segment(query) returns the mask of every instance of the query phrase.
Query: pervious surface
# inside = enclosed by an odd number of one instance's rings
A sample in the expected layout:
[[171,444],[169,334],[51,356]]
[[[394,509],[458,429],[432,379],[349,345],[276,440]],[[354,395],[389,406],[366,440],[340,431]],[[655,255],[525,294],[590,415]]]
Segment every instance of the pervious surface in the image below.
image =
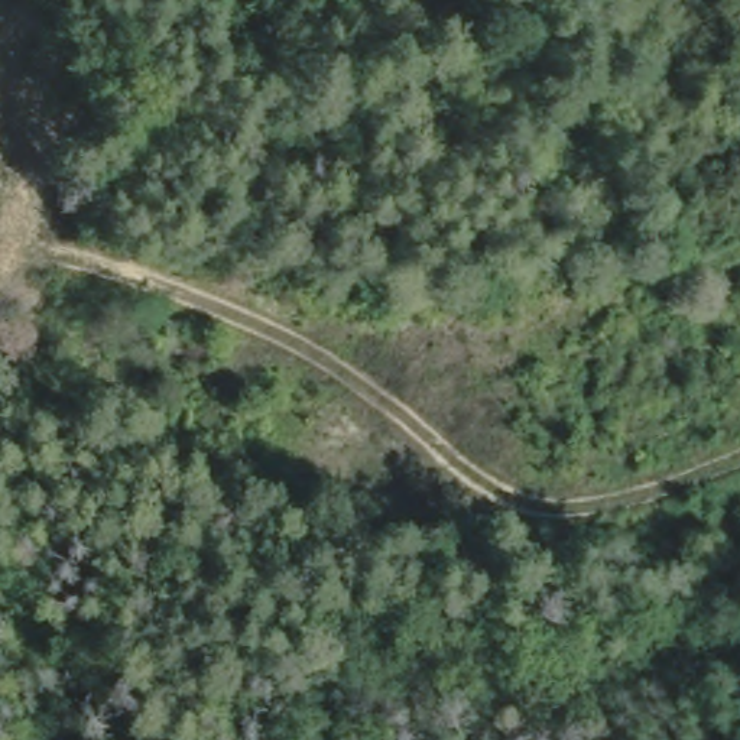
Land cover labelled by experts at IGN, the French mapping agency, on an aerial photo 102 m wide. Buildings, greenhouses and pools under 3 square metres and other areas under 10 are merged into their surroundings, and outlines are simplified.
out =
[[674,483],[665,483],[662,474],[636,474],[636,483],[627,483],[621,491],[616,491],[601,477],[581,477],[578,483],[564,483],[543,497],[546,503],[564,506],[567,517],[593,515],[595,506],[616,503],[648,503],[653,509],[659,491],[665,491],[671,500],[688,500],[691,494],[682,480]]
[[52,246],[55,257],[78,257],[93,269],[90,275],[113,272],[121,280],[142,280],[147,289],[162,289],[179,309],[205,312],[217,324],[234,327],[237,338],[251,335],[306,361],[321,376],[341,382],[364,405],[370,405],[393,428],[399,428],[422,454],[425,465],[436,465],[448,480],[457,480],[463,489],[474,491],[483,500],[494,500],[500,491],[515,494],[517,489],[509,480],[491,474],[489,468],[465,457],[416,408],[410,408],[370,373],[356,367],[350,358],[309,338],[304,332],[306,327],[312,327],[309,321],[301,321],[298,330],[280,321],[278,301],[254,295],[234,278],[208,280],[205,286],[199,286],[194,280],[165,275],[150,266],[139,266],[133,260],[119,260],[98,249],[84,249],[58,240]]

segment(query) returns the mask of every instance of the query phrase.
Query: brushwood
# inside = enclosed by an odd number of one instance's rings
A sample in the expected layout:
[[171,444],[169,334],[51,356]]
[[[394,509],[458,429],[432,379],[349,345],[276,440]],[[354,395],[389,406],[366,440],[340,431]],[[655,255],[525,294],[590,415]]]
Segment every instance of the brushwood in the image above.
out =
[[726,292],[726,306],[720,309],[720,318],[714,324],[694,324],[688,312],[679,309],[679,304],[650,298],[645,283],[624,283],[621,292],[610,298],[610,304],[598,306],[584,321],[569,312],[564,312],[564,318],[555,318],[552,309],[538,309],[538,315],[532,318],[535,332],[523,344],[523,353],[506,367],[517,396],[509,402],[512,410],[503,416],[503,428],[512,428],[526,442],[520,457],[520,474],[529,483],[529,489],[543,489],[543,497],[564,483],[578,483],[581,477],[601,477],[616,491],[621,491],[627,483],[636,483],[636,474],[662,474],[665,483],[674,483],[671,477],[691,460],[691,454],[702,460],[708,451],[723,454],[726,445],[740,442],[740,292]]
[[740,494],[740,477],[711,483],[691,494],[688,500],[671,500],[665,491],[659,491],[653,509],[648,503],[616,503],[595,506],[593,515],[595,520],[613,523],[613,546],[621,538],[630,538],[627,523],[650,517],[650,512],[720,520],[726,497]]

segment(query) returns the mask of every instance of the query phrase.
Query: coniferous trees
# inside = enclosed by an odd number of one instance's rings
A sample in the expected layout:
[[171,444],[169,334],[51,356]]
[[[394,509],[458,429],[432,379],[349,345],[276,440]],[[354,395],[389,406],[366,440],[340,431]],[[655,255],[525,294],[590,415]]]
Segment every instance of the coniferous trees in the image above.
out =
[[[578,289],[587,289],[610,298],[621,292],[624,283],[645,283],[650,298],[679,304],[679,309],[688,312],[694,324],[714,324],[720,318],[720,309],[726,306],[726,292],[740,292],[740,0],[327,0],[321,12],[306,12],[304,20],[306,26],[312,26],[312,35],[304,40],[304,46],[309,52],[295,72],[295,81],[283,84],[260,61],[254,46],[246,46],[234,55],[228,29],[234,0],[104,0],[107,12],[121,17],[124,29],[142,23],[150,40],[153,61],[162,66],[165,75],[173,78],[179,93],[173,121],[153,127],[147,145],[136,150],[124,133],[119,133],[116,98],[107,95],[90,101],[87,81],[81,78],[81,72],[72,72],[78,43],[72,40],[69,0],[17,0],[23,20],[32,26],[32,61],[52,72],[52,84],[40,93],[40,104],[46,113],[75,116],[75,124],[64,130],[61,173],[40,194],[43,220],[49,223],[58,240],[84,249],[98,249],[119,260],[133,260],[139,266],[150,266],[165,275],[194,280],[199,286],[205,286],[208,280],[234,278],[254,295],[278,301],[283,298],[283,292],[292,289],[347,286],[347,298],[358,306],[353,324],[379,321],[390,315],[387,283],[402,266],[416,266],[419,272],[425,272],[428,286],[445,289],[448,298],[454,292],[465,292],[474,298],[486,298],[489,283],[497,275],[509,275],[512,280],[541,278],[546,286],[561,283],[564,298],[575,298]],[[477,61],[474,38],[483,35],[494,20],[517,12],[541,17],[546,26],[546,40],[541,43],[535,58],[506,64],[494,78],[486,78]]]
[[[428,694],[422,705],[405,708],[405,697],[387,697],[382,700],[384,714],[390,723],[399,726],[393,740],[740,740],[740,642],[697,648],[688,639],[674,636],[665,648],[650,648],[650,659],[645,665],[633,665],[621,659],[627,639],[616,636],[624,619],[630,616],[630,590],[642,584],[650,595],[691,593],[694,607],[702,619],[717,616],[717,598],[723,595],[740,604],[740,494],[726,497],[720,520],[650,512],[650,517],[627,523],[630,538],[621,538],[613,546],[587,549],[584,543],[561,543],[543,552],[538,543],[529,541],[517,512],[506,512],[506,529],[494,538],[489,532],[480,532],[468,515],[451,515],[439,526],[410,523],[393,526],[387,532],[379,523],[373,500],[367,494],[318,494],[318,500],[306,503],[304,509],[295,509],[283,486],[266,483],[260,477],[246,483],[246,503],[240,509],[228,509],[220,497],[220,489],[211,480],[205,457],[188,448],[185,428],[165,428],[165,416],[150,410],[150,402],[142,399],[136,390],[110,396],[104,408],[93,410],[93,422],[87,428],[75,428],[43,410],[35,413],[35,390],[43,384],[49,373],[61,338],[46,324],[35,330],[35,324],[20,312],[20,306],[12,312],[12,321],[0,321],[0,740],[231,740],[231,697],[237,688],[249,688],[251,697],[272,697],[332,682],[332,671],[344,659],[344,642],[324,630],[324,613],[347,610],[350,601],[364,601],[367,613],[376,613],[376,656],[396,645],[399,627],[413,604],[436,601],[439,619],[445,624],[442,648],[457,645],[463,648],[463,659],[480,662],[483,679],[491,691],[491,705],[480,717],[463,700],[439,702]],[[552,700],[552,688],[543,688],[535,679],[523,682],[520,688],[512,685],[520,659],[515,653],[506,653],[503,645],[509,642],[515,624],[523,621],[523,616],[538,616],[549,624],[549,630],[572,636],[581,633],[581,616],[593,616],[595,610],[607,619],[595,627],[598,650],[607,645],[613,650],[610,659],[598,659],[607,676],[593,679],[595,705],[604,717],[567,726],[567,711]]]

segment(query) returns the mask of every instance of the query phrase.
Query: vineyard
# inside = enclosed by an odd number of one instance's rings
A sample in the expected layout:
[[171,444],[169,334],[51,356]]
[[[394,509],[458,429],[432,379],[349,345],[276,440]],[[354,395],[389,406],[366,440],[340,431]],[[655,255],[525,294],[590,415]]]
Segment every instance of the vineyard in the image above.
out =
[[64,130],[75,124],[75,116],[46,113],[40,104],[40,93],[52,84],[52,72],[32,61],[32,26],[23,20],[17,0],[0,0],[0,275],[12,275],[23,266],[20,251],[38,237],[43,220],[40,194],[61,173]]

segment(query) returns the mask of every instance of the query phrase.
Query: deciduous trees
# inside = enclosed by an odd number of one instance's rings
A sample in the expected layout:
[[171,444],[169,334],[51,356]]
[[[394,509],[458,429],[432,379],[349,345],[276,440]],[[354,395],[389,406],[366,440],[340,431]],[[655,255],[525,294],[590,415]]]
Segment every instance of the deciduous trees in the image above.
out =
[[72,40],[78,43],[72,72],[81,72],[81,78],[87,81],[90,101],[107,95],[116,98],[119,133],[124,133],[136,150],[147,145],[153,127],[173,121],[179,93],[173,78],[165,75],[162,66],[153,61],[150,40],[142,23],[124,29],[121,17],[107,12],[104,0],[69,0]]
[[483,35],[474,38],[477,61],[486,78],[494,78],[506,64],[535,58],[541,43],[546,40],[546,26],[541,17],[517,12],[494,20]]
[[234,55],[246,46],[254,46],[260,61],[283,84],[295,81],[295,72],[309,52],[304,46],[304,40],[312,35],[312,26],[306,26],[304,20],[306,12],[321,12],[327,0],[234,0],[228,29]]
[[691,593],[650,595],[642,584],[630,590],[630,616],[624,619],[616,636],[627,639],[621,659],[633,665],[645,665],[650,659],[650,648],[665,648],[674,636],[688,639],[697,648],[740,642],[740,604],[723,595],[717,598],[717,616],[702,619],[694,607]]
[[491,691],[483,679],[480,662],[463,659],[463,648],[457,645],[442,648],[445,624],[439,619],[436,601],[413,604],[399,627],[396,645],[376,656],[376,613],[367,613],[364,601],[350,601],[347,610],[324,613],[324,630],[344,642],[344,659],[332,671],[332,682],[272,697],[251,697],[249,688],[237,688],[231,697],[231,740],[393,740],[399,726],[390,723],[384,714],[382,700],[387,697],[405,697],[405,708],[422,705],[428,694],[439,702],[463,700],[480,717],[491,705]]
[[581,633],[572,636],[549,630],[549,624],[538,616],[523,616],[523,621],[515,624],[509,642],[503,645],[506,653],[515,653],[520,659],[512,685],[520,688],[523,682],[535,679],[543,688],[552,688],[552,700],[567,711],[567,726],[604,717],[595,705],[593,679],[607,676],[598,659],[610,659],[613,650],[607,645],[598,650],[595,627],[607,619],[595,610],[593,616],[581,616]]

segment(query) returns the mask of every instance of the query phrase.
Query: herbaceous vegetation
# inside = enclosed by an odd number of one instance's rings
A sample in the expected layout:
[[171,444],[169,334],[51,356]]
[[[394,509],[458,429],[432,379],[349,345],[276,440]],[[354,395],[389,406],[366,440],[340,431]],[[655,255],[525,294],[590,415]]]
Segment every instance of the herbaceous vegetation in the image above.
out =
[[439,526],[451,515],[468,515],[480,532],[489,532],[494,538],[506,529],[506,512],[517,512],[529,541],[538,543],[543,552],[561,543],[584,543],[587,549],[613,546],[613,523],[595,520],[593,515],[567,517],[564,506],[546,503],[543,497],[543,489],[529,489],[529,483],[520,474],[520,457],[526,442],[512,428],[503,428],[503,416],[512,410],[509,402],[517,396],[506,367],[523,353],[523,344],[535,332],[532,318],[538,315],[538,309],[552,309],[555,318],[564,318],[564,312],[569,312],[584,321],[598,306],[610,304],[610,298],[587,289],[578,289],[575,298],[564,298],[561,283],[546,286],[541,278],[512,280],[509,275],[497,275],[489,283],[486,298],[474,298],[465,292],[454,292],[448,298],[445,289],[428,286],[425,272],[419,272],[416,266],[402,266],[387,283],[390,315],[379,321],[353,324],[358,306],[347,298],[347,286],[292,289],[283,292],[283,298],[278,301],[280,321],[298,330],[301,321],[309,321],[312,327],[306,327],[304,332],[309,338],[350,358],[356,367],[370,373],[410,408],[416,408],[465,457],[489,468],[491,474],[509,480],[517,489],[515,494],[500,491],[494,500],[483,500],[474,491],[463,489],[457,480],[448,480],[436,465],[425,465],[422,454],[399,428],[393,428],[370,405],[364,405],[341,382],[321,376],[306,361],[251,335],[237,338],[234,327],[217,324],[205,312],[179,309],[162,289],[147,289],[142,280],[121,280],[113,272],[90,275],[93,269],[78,257],[55,257],[52,246],[58,240],[49,223],[43,220],[38,237],[20,251],[23,266],[12,275],[0,275],[0,321],[12,321],[12,312],[20,306],[20,312],[35,324],[35,330],[46,324],[61,338],[49,373],[43,384],[35,390],[35,413],[43,410],[75,428],[87,428],[93,422],[93,410],[104,408],[110,396],[136,390],[142,399],[150,402],[150,410],[165,416],[165,428],[185,428],[188,448],[205,457],[211,480],[220,489],[220,497],[228,509],[240,509],[246,503],[246,483],[260,477],[266,483],[283,486],[295,509],[304,509],[306,503],[318,500],[318,494],[367,494],[373,500],[379,523],[387,532],[393,526],[410,523]]
[[691,460],[671,477],[674,483],[682,480],[691,494],[711,483],[740,477],[740,442],[726,445],[723,454],[708,451],[702,460],[691,454]]

